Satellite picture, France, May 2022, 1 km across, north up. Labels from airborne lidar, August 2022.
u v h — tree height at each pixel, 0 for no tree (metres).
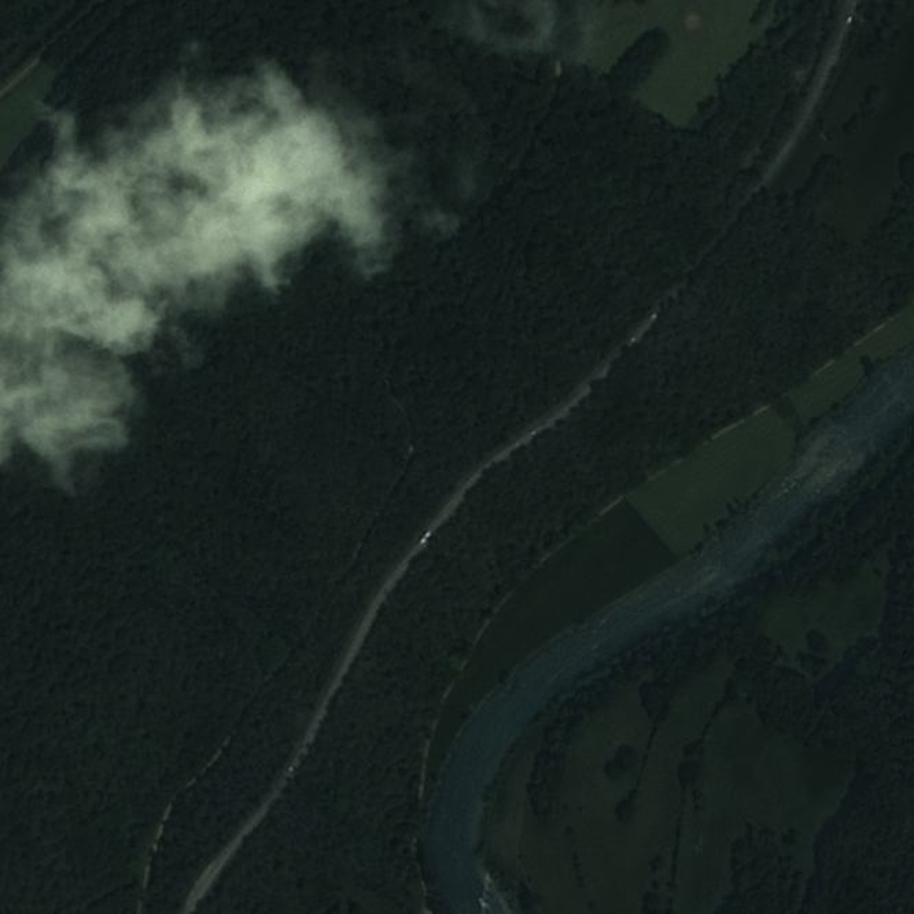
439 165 24
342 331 17
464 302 23
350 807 16
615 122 23
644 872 0
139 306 25
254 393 15
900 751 24
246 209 6
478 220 8
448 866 0
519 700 0
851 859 21
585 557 0
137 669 15
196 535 16
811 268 17
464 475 9
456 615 15
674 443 25
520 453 15
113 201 23
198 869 16
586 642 0
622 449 12
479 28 29
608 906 0
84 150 18
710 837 0
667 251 18
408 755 21
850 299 17
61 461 16
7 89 0
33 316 23
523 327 20
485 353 18
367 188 23
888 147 0
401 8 31
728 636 21
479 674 0
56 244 16
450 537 16
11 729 20
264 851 13
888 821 27
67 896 15
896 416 0
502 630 0
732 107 23
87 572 16
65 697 17
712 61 0
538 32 16
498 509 14
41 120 0
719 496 0
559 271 19
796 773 0
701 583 0
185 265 28
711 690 0
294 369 17
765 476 0
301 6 29
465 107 29
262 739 19
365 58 28
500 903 0
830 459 0
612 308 19
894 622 25
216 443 17
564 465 11
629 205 18
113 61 25
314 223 22
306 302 19
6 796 20
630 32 0
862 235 0
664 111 0
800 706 25
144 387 22
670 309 20
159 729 15
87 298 21
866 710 31
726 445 0
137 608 14
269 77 29
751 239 19
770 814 0
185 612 16
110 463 21
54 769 17
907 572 24
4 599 14
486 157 26
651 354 21
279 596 19
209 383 21
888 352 0
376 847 13
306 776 18
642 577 0
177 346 22
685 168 24
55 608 19
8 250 24
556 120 26
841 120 0
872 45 14
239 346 19
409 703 18
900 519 27
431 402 18
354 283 19
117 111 25
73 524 15
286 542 25
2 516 21
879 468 18
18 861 23
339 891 7
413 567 16
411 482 20
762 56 15
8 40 14
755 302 17
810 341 20
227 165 26
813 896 18
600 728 0
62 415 24
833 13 16
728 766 0
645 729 0
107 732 15
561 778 14
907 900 17
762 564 12
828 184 19
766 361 13
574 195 25
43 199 22
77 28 16
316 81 29
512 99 30
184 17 29
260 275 14
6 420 24
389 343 19
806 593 19
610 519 0
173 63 19
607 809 0
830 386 0
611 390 20
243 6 22
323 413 19
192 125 26
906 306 18
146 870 0
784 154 0
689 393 11
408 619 18
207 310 29
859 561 24
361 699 19
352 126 30
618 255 18
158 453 20
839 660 0
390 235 22
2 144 0
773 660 24
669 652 23
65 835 19
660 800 0
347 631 14
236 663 17
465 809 0
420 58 29
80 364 21
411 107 28
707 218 20
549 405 11
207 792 18
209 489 18
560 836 0
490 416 18
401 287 21
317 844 19
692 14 0
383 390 21
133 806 19
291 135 30
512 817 0
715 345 15
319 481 14
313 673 8
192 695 10
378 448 18
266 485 28
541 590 0
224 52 17
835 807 0
